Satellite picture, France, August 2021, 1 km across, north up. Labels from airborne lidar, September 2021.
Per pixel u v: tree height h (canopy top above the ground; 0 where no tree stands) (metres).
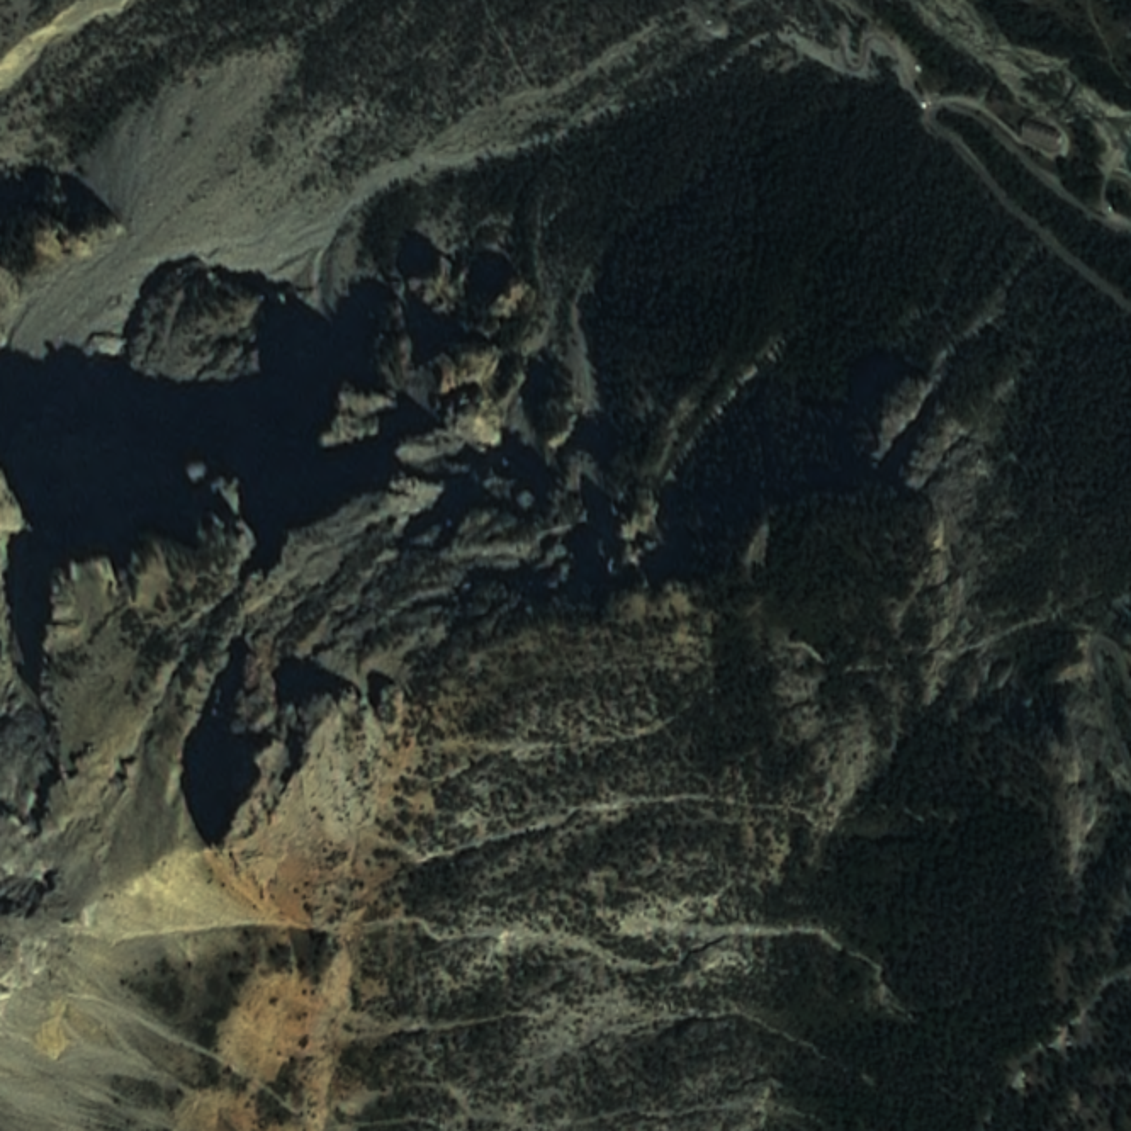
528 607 6
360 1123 0
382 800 0
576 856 6
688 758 7
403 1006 8
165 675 0
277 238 0
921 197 12
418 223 0
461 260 13
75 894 0
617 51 0
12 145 0
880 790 13
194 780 0
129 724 0
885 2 7
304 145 0
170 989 0
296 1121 0
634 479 9
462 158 0
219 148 0
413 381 0
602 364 8
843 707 7
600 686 8
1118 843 11
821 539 12
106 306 0
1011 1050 16
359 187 0
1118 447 15
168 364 0
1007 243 12
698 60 7
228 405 0
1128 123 0
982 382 10
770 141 12
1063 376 11
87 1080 0
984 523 10
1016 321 12
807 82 7
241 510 0
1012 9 6
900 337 6
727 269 15
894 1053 15
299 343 0
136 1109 0
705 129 14
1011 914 9
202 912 0
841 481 9
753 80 11
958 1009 10
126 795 0
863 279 10
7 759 0
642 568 8
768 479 9
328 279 0
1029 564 7
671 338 7
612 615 8
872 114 8
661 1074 10
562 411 9
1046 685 6
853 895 6
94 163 0
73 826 0
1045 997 10
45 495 0
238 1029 0
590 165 6
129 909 0
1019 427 14
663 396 6
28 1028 0
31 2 0
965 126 8
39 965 0
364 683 0
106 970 0
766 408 6
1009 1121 16
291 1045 0
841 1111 12
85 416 0
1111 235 7
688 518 10
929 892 14
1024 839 15
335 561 0
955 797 17
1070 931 10
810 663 7
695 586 7
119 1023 0
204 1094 0
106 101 9
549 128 8
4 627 0
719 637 7
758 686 9
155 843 0
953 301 10
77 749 0
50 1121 0
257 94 0
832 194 8
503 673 0
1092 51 7
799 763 10
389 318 8
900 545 11
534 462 0
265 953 0
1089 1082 6
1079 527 9
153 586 0
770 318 9
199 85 0
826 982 6
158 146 0
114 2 0
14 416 0
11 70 0
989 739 14
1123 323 12
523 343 0
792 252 8
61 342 0
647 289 7
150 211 0
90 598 0
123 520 0
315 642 0
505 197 10
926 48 7
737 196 14
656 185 14
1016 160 7
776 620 0
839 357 7
